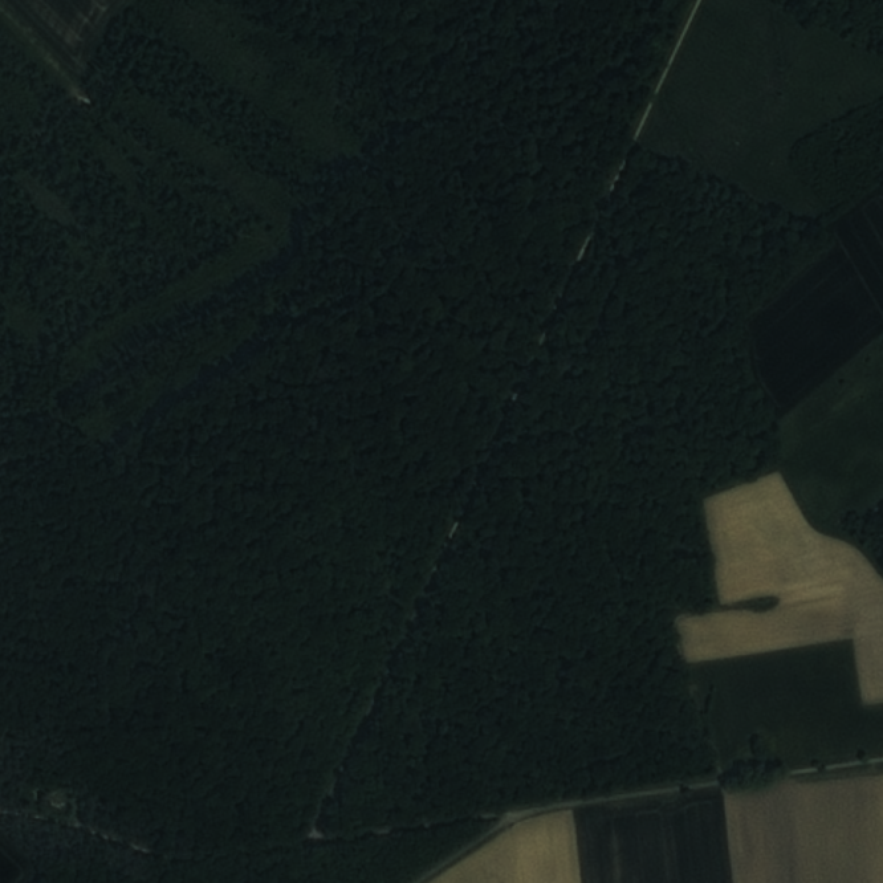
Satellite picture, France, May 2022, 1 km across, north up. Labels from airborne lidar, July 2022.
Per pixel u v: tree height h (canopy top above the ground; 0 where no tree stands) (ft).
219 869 75
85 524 96
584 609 83
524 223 107
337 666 88
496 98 84
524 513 100
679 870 0
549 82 88
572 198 83
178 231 74
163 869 70
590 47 59
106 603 89
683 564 79
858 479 0
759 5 0
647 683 70
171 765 100
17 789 56
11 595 101
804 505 0
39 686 99
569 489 96
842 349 0
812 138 27
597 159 89
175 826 83
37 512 92
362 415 93
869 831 0
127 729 96
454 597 94
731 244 76
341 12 82
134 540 109
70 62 0
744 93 0
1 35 50
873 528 45
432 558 65
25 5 0
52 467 85
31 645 106
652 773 66
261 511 99
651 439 93
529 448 82
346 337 104
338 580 81
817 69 0
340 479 90
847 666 0
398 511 90
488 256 93
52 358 54
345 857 64
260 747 92
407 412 109
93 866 66
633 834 0
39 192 0
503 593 99
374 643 82
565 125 94
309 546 79
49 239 44
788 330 0
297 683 71
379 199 105
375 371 97
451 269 99
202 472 99
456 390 108
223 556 85
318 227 106
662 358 70
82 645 104
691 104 0
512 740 86
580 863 0
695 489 73
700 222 76
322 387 101
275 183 81
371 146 80
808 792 0
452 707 88
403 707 72
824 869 0
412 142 89
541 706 81
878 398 0
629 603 67
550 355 79
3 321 84
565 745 83
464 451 103
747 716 0
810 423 0
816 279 0
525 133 92
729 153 0
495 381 98
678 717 85
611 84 104
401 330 75
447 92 90
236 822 88
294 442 105
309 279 93
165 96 56
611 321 96
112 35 51
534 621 79
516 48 99
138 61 47
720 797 0
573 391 83
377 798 94
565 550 92
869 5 82
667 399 66
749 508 0
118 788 96
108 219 84
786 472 0
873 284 0
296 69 53
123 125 52
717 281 79
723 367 73
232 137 38
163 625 90
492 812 56
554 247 104
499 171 94
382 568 72
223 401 105
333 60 73
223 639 78
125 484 90
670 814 0
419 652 80
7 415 88
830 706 0
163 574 103
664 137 0
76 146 64
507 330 81
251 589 82
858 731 0
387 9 97
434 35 88
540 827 0
